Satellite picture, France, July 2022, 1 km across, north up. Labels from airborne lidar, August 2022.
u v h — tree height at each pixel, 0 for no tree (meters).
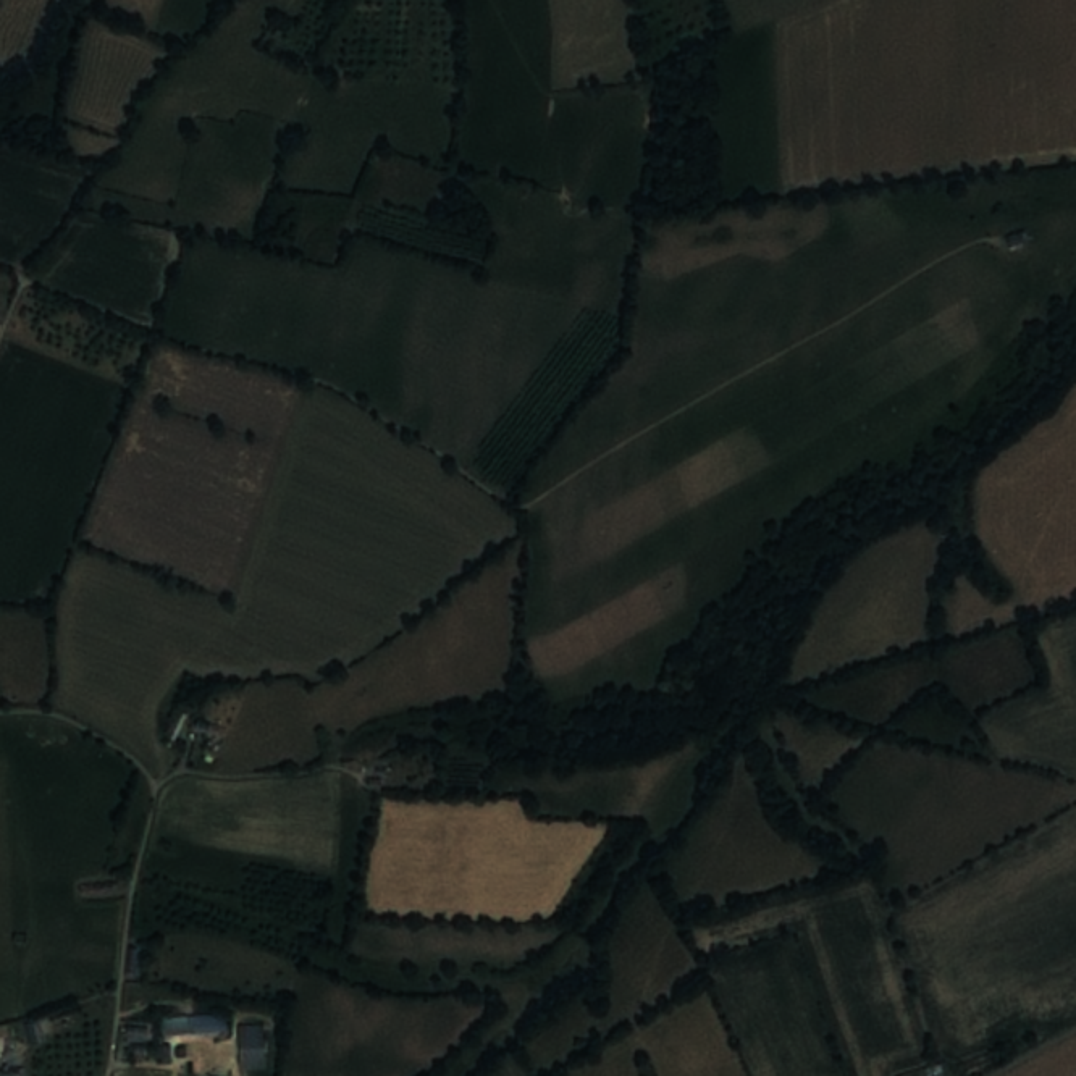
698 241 0
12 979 0
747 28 0
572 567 0
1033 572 0
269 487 0
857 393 0
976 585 10
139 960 6
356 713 0
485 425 0
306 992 0
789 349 0
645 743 23
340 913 0
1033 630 15
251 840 0
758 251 0
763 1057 0
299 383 16
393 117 0
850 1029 0
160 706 0
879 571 0
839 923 0
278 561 0
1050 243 0
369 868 10
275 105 0
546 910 0
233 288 0
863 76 0
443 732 20
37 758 0
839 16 0
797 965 0
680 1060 0
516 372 0
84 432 0
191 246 15
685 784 0
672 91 18
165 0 0
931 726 0
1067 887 0
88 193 17
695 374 0
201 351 8
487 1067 18
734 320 0
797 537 15
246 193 0
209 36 9
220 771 0
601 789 0
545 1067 0
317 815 0
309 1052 0
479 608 0
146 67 0
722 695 25
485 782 14
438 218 20
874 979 0
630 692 14
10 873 0
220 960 0
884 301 0
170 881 6
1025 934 0
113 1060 0
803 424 0
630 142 0
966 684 0
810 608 19
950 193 13
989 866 0
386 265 0
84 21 18
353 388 0
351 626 0
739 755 14
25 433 0
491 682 0
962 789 0
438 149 0
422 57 6
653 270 0
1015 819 0
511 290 0
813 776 0
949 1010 0
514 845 0
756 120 0
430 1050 0
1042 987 0
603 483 0
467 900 0
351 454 0
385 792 7
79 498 0
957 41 0
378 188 0
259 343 0
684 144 17
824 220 0
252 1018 0
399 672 0
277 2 0
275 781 0
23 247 0
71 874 0
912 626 0
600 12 0
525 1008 0
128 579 0
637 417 0
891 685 0
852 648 0
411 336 0
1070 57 0
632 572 0
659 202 21
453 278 0
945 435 16
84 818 0
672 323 0
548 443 10
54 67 26
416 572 0
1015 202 0
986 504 0
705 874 0
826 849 22
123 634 0
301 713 0
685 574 0
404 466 0
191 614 0
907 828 0
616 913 16
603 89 17
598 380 14
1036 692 7
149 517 0
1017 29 0
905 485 22
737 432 0
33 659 0
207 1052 0
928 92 0
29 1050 0
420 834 0
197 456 0
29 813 0
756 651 24
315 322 0
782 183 0
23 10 0
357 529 0
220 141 0
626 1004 0
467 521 0
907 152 0
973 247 0
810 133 0
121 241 0
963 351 0
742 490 0
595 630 0
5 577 0
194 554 0
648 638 0
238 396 0
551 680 0
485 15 0
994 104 0
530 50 0
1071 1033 0
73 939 0
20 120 6
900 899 16
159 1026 7
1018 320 0
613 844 7
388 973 0
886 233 0
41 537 0
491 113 0
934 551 0
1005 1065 8
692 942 14
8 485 0
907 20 0
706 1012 0
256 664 0
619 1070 0
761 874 0
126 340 7
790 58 0
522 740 23
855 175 0
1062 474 0
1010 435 16
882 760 0
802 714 17
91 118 0
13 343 0
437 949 0
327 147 0
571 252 0
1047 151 0
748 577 14
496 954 0
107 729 0
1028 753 0
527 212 0
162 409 18
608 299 0
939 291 0
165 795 0
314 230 0
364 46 7
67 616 0
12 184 0
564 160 0
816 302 0
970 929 0
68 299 10
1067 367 17
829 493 6
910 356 0
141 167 0
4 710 12
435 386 0
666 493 0
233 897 7
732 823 0
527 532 13
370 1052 0
